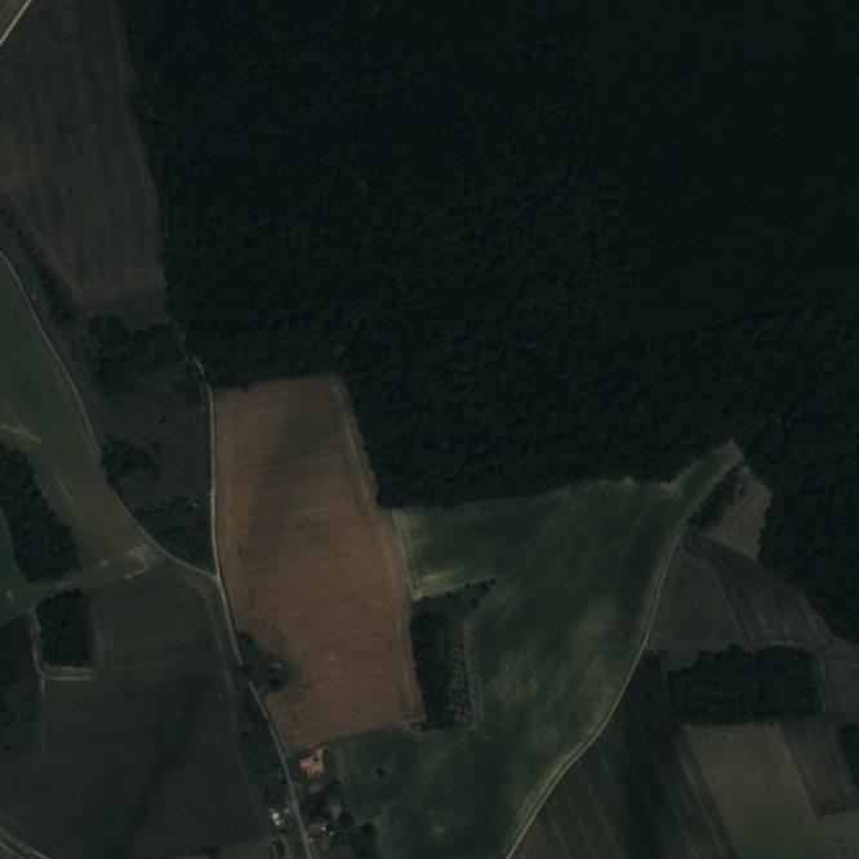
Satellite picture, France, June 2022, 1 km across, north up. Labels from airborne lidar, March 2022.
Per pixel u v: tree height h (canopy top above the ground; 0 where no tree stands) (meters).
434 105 21
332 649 0
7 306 0
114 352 9
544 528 0
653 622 0
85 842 0
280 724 0
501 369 12
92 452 0
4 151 0
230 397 0
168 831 0
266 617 0
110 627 0
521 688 0
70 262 0
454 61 20
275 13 16
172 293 15
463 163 19
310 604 0
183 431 0
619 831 0
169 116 16
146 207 0
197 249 16
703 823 0
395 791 0
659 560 0
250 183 22
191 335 15
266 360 17
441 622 10
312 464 0
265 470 0
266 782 0
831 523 18
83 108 0
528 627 0
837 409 21
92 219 0
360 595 0
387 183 23
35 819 0
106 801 0
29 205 0
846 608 10
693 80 12
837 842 0
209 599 0
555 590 0
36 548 19
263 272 9
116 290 0
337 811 0
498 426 18
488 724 0
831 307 19
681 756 0
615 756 0
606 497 0
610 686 0
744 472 0
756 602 0
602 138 14
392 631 0
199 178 19
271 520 0
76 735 0
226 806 0
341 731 0
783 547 18
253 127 19
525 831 0
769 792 0
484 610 0
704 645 0
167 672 0
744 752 0
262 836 0
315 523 0
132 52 8
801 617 0
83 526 0
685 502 0
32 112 0
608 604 0
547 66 20
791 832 0
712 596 0
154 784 0
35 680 0
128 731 0
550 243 23
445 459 20
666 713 0
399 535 0
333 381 0
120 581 0
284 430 0
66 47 0
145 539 0
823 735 0
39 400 0
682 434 18
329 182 23
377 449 16
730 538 0
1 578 0
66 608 8
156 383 0
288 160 22
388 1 17
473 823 0
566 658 0
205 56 20
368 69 22
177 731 0
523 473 17
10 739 0
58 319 6
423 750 0
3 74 0
